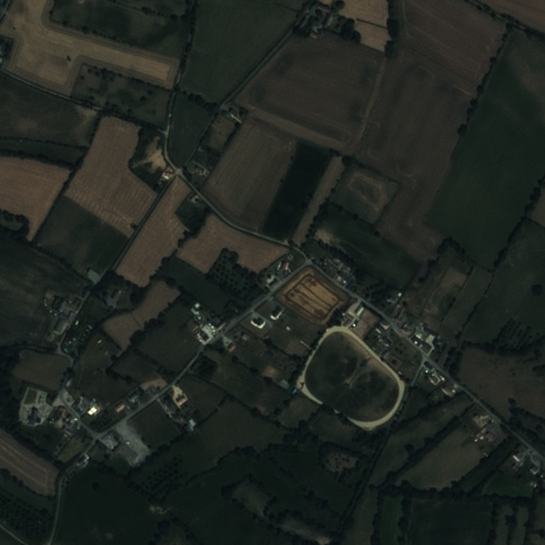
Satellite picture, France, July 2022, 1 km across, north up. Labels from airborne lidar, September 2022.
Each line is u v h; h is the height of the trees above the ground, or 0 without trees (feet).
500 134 0
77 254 0
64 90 0
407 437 0
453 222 0
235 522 0
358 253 0
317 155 0
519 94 0
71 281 0
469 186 0
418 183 0
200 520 0
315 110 0
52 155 0
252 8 0
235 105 0
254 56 0
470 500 40
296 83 0
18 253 0
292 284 0
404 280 0
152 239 0
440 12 0
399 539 32
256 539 0
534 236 0
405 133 0
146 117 0
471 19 0
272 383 49
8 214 28
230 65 0
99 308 0
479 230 0
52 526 24
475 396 20
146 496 24
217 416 0
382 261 0
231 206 0
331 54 0
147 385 0
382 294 42
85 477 0
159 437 0
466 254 38
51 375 0
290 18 0
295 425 0
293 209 0
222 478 0
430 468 0
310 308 0
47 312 0
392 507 0
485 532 0
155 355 0
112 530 0
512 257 0
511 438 31
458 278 0
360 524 0
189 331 0
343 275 0
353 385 0
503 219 0
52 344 0
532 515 30
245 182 0
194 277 0
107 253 0
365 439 47
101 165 0
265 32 0
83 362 0
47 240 0
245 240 0
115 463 0
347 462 24
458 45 0
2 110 0
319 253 0
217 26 0
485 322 0
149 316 0
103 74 27
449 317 0
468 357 0
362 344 0
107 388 0
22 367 0
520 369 0
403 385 0
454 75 0
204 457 0
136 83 25
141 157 0
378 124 0
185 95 28
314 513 0
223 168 0
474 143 0
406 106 0
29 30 0
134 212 0
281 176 0
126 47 0
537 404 0
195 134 0
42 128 0
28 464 0
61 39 0
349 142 0
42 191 0
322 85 0
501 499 40
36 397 0
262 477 0
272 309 0
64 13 0
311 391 0
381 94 0
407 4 0
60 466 41
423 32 0
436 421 0
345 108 0
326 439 0
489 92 0
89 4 0
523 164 0
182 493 0
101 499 0
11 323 0
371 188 0
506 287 0
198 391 0
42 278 0
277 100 0
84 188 0
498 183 0
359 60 0
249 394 0
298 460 0
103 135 0
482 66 0
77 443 0
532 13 0
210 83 0
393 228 0
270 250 0
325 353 0
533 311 0
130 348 26
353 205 0
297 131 0
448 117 0
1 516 21
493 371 0
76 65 0
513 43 0
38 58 0
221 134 0
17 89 0
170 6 0
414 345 0
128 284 45
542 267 0
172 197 0
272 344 54
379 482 0
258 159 0
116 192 0
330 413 46
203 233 0
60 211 0
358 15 0
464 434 0
